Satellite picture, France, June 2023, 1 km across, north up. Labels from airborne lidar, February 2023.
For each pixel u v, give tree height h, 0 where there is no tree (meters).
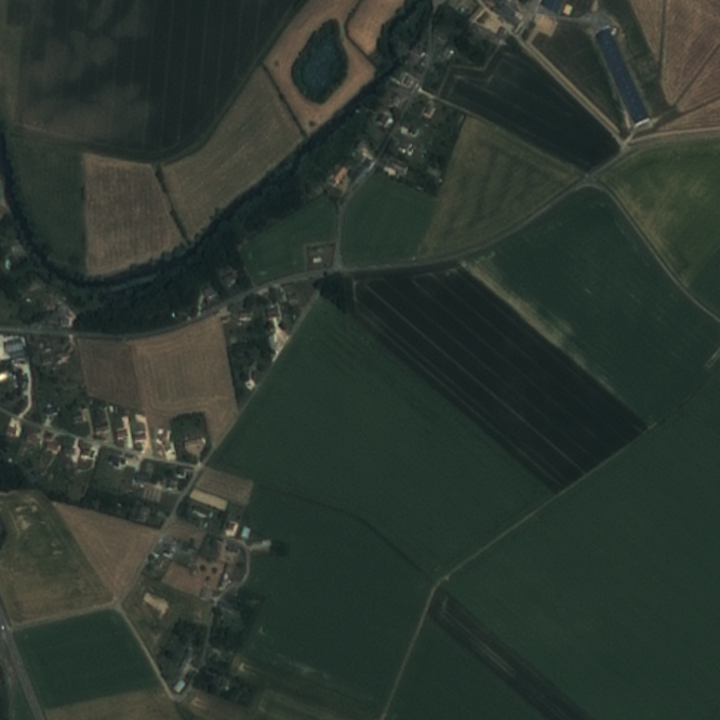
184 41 0
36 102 0
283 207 17
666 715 0
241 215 18
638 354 0
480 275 0
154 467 0
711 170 0
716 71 0
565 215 0
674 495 0
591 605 0
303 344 0
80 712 0
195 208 0
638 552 0
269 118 0
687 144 0
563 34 0
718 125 0
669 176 0
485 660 0
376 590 0
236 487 0
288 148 0
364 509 0
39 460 0
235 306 11
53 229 0
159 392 0
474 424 0
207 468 0
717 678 0
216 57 0
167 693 0
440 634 0
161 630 0
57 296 0
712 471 0
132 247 0
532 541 0
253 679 0
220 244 21
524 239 0
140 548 0
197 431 0
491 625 0
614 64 0
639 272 0
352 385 0
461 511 0
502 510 0
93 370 0
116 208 0
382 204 0
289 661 0
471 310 0
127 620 0
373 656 0
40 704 0
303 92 8
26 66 0
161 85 0
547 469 0
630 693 0
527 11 0
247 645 0
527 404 0
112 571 0
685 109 0
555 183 0
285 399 0
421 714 0
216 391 0
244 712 0
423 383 0
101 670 0
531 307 0
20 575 0
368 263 0
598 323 0
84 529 0
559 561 0
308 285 0
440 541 0
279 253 0
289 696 0
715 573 0
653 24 0
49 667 0
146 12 0
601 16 0
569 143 0
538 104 0
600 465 0
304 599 0
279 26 0
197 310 6
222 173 0
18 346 0
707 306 0
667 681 0
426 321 0
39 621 0
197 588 0
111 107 0
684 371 0
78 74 0
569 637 0
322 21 0
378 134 0
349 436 0
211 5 0
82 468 0
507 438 0
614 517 0
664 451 0
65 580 0
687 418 0
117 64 0
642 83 0
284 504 0
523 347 0
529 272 0
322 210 0
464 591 0
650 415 0
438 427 0
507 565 0
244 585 0
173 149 0
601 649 0
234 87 0
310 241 0
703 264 0
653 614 0
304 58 8
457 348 0
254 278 0
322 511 0
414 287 0
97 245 0
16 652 0
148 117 0
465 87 0
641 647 0
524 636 0
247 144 0
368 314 0
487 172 0
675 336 0
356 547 0
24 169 0
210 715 0
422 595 0
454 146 0
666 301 0
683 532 0
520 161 0
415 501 0
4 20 0
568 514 0
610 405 0
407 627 0
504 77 0
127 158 0
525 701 0
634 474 0
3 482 17
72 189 0
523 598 0
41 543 0
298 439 0
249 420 0
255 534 0
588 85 0
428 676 0
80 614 0
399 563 0
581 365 0
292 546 0
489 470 0
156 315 19
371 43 0
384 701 0
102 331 15
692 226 0
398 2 0
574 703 0
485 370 0
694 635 0
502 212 0
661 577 0
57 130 0
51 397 0
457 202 0
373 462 0
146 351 0
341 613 0
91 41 0
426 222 0
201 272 23
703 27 0
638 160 0
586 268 0
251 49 0
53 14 0
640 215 0
